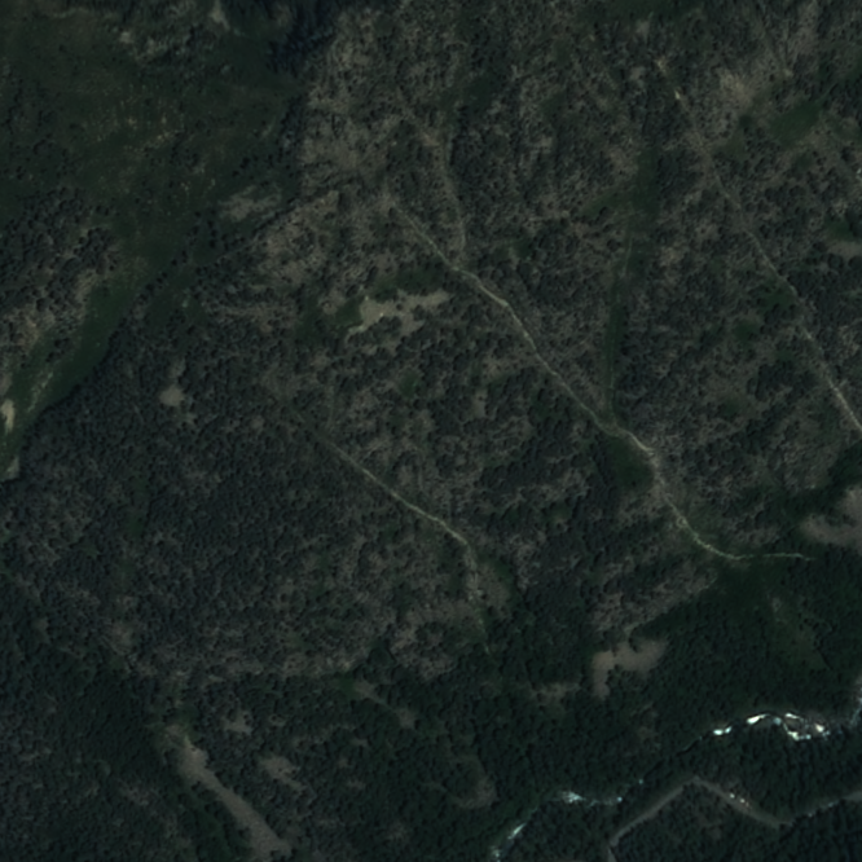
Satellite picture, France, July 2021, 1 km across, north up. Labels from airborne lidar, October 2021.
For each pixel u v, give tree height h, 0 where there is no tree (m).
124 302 0
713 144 0
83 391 10
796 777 19
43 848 9
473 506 8
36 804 12
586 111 16
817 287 19
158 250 0
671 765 14
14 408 0
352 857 13
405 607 7
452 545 21
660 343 15
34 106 11
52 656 23
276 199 0
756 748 16
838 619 19
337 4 6
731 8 12
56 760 17
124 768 24
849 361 17
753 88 0
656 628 12
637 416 9
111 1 10
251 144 0
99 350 0
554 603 21
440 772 35
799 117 0
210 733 10
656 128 18
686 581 9
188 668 7
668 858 9
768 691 27
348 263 9
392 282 0
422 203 7
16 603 22
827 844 18
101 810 13
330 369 9
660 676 13
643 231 0
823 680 25
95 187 0
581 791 14
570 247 9
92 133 0
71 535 14
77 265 16
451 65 8
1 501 9
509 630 27
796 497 17
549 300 13
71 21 0
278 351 18
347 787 8
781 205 20
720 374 11
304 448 11
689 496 0
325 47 11
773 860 19
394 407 16
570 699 14
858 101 14
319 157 10
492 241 18
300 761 31
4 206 0
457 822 23
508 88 13
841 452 18
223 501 16
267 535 18
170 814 22
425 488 0
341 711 16
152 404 8
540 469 19
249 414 8
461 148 17
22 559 13
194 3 0
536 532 12
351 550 7
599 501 20
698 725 15
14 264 16
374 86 7
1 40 0
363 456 9
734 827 12
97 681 14
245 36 0
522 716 23
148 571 13
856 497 0
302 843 18
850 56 8
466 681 16
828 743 25
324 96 8
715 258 12
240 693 27
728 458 24
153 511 15
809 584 15
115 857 21
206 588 13
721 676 25
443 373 10
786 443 7
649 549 13
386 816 14
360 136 0
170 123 0
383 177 0
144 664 6
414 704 21
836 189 11
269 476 17
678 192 14
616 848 9
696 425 16
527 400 15
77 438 11
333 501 13
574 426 15
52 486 11
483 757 34
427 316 9
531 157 13
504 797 14
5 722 7
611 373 0
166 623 14
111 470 14
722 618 21
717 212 16
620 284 0
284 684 25
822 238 11
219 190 0
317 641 13
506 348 17
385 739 9
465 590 20
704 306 10
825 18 11
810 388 16
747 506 20
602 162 16
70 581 8
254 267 18
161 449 17
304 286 14
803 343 16
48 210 10
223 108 0
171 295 0
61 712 15
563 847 24
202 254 0
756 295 22
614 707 19
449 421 19
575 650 18
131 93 0
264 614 19
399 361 18
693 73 10
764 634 14
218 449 16
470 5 15
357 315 0
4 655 22
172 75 7
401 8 9
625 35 9
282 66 8
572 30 18
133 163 0
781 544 32
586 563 19
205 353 10
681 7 9
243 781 12
